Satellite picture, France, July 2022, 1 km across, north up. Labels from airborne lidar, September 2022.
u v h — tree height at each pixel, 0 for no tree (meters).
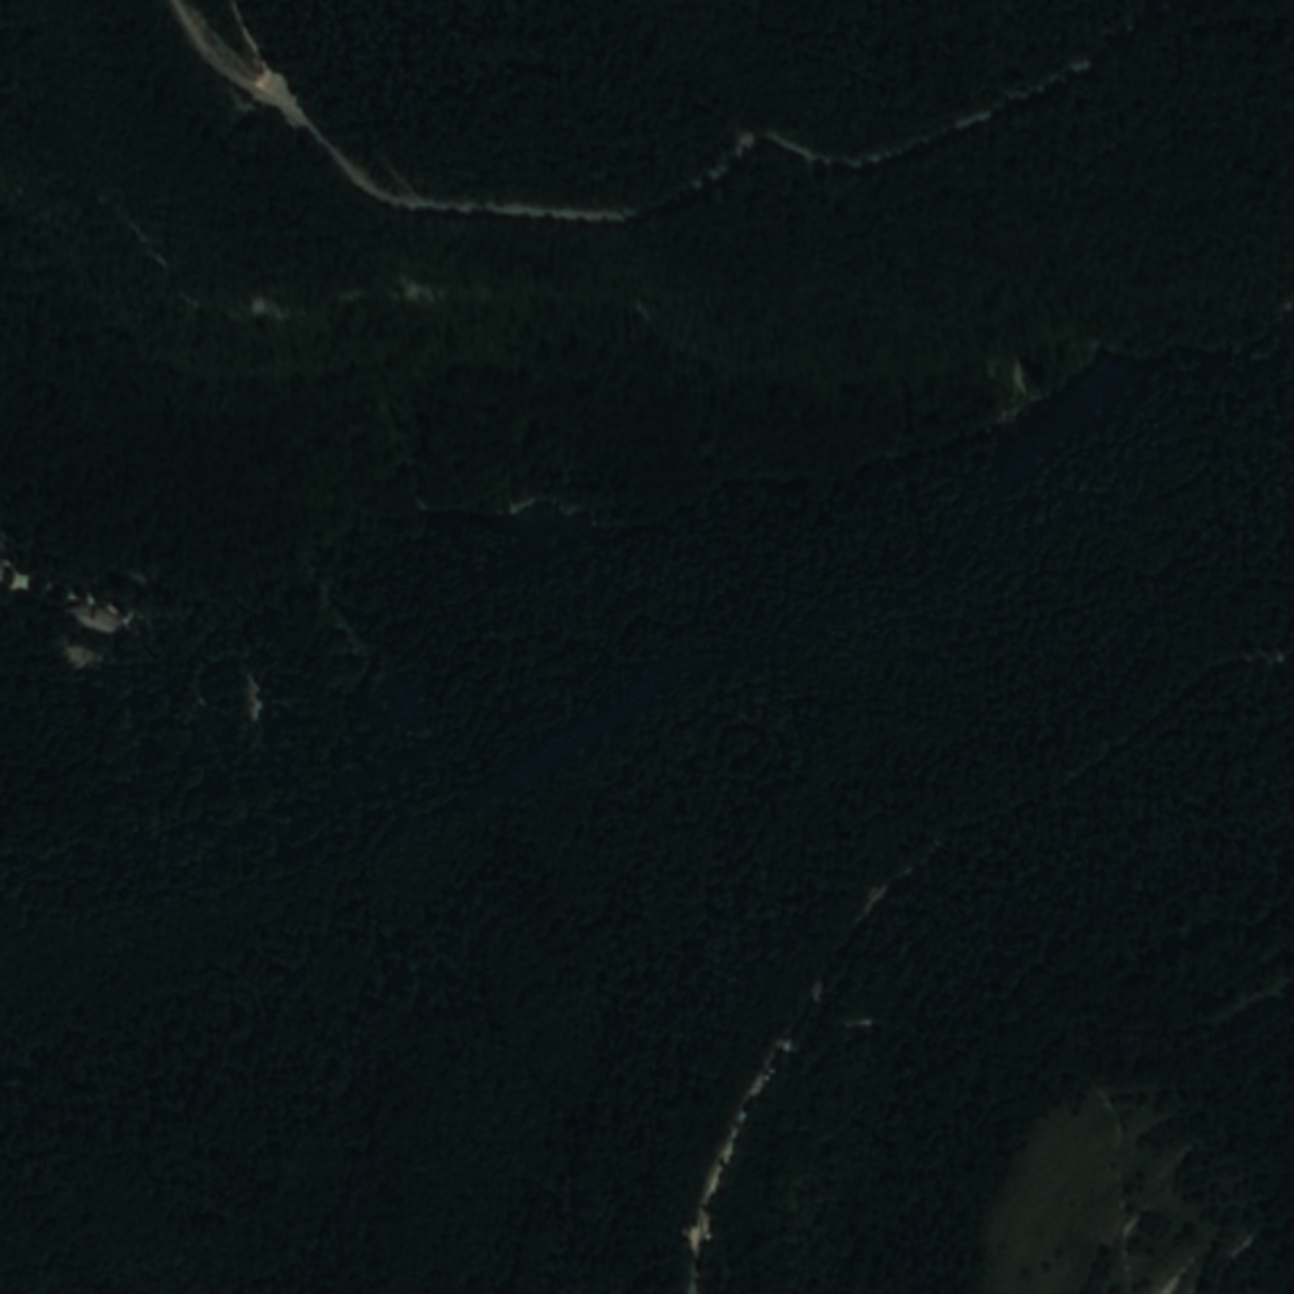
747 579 32
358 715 34
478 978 20
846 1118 8
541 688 24
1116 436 20
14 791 32
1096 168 18
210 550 26
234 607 29
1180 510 21
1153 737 13
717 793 22
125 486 31
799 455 23
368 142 14
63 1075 13
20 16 20
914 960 10
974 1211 7
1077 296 19
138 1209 20
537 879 26
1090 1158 0
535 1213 14
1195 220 15
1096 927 26
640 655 27
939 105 18
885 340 18
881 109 14
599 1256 22
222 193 14
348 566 26
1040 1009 18
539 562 32
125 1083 19
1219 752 11
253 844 27
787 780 26
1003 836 12
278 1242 23
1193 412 25
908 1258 21
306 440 19
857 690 22
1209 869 25
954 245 15
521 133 18
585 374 20
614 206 11
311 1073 19
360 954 18
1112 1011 18
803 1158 8
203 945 14
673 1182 18
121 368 22
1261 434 25
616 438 21
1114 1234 0
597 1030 12
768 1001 15
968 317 15
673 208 14
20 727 33
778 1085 11
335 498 15
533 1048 16
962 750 23
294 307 15
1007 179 14
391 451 18
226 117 17
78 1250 21
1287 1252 17
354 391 24
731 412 22
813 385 24
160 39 24
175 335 15
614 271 9
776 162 24
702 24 13
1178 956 28
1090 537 21
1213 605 13
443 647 28
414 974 28
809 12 26
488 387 28
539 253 10
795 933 27
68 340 23
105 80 14
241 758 23
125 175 12
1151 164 17
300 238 16
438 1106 22
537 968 17
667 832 21
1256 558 17
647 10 14
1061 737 27
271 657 20
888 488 31
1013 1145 7
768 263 15
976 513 24
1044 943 14
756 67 15
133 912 9
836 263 13
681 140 15
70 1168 16
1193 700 12
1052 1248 0
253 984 22
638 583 6
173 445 38
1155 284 14
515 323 21
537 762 26
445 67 20
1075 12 18
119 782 20
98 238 16
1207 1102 10
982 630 24
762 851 20
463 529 30
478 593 25
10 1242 21
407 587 29
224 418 27
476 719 25
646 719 16
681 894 22
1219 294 14
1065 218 17
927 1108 13
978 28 15
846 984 18
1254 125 18
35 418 28
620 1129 26
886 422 23
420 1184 15
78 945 10
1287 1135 18
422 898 15
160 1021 17
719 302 14
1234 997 15
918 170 14
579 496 26
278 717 17
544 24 18
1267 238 18
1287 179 21
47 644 16
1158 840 15
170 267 12
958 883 9
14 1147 20
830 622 25
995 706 23
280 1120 20
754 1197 7
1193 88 19
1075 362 6
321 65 17
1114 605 22
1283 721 18
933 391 27
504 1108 16
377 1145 30
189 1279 20
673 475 26
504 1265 20
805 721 21
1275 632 14
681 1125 19
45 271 26
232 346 17
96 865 19
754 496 30
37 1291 15
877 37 16
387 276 48
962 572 22
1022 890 13
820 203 18
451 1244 17
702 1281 6
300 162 18
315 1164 19
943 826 15
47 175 14
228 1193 21
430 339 43
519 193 12
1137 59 20
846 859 24
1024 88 18
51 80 19
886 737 21
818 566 32
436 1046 23
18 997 14
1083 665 22
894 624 19
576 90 20
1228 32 25
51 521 28
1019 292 17
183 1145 17
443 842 15
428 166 16
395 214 13
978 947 22
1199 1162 11
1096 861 18
